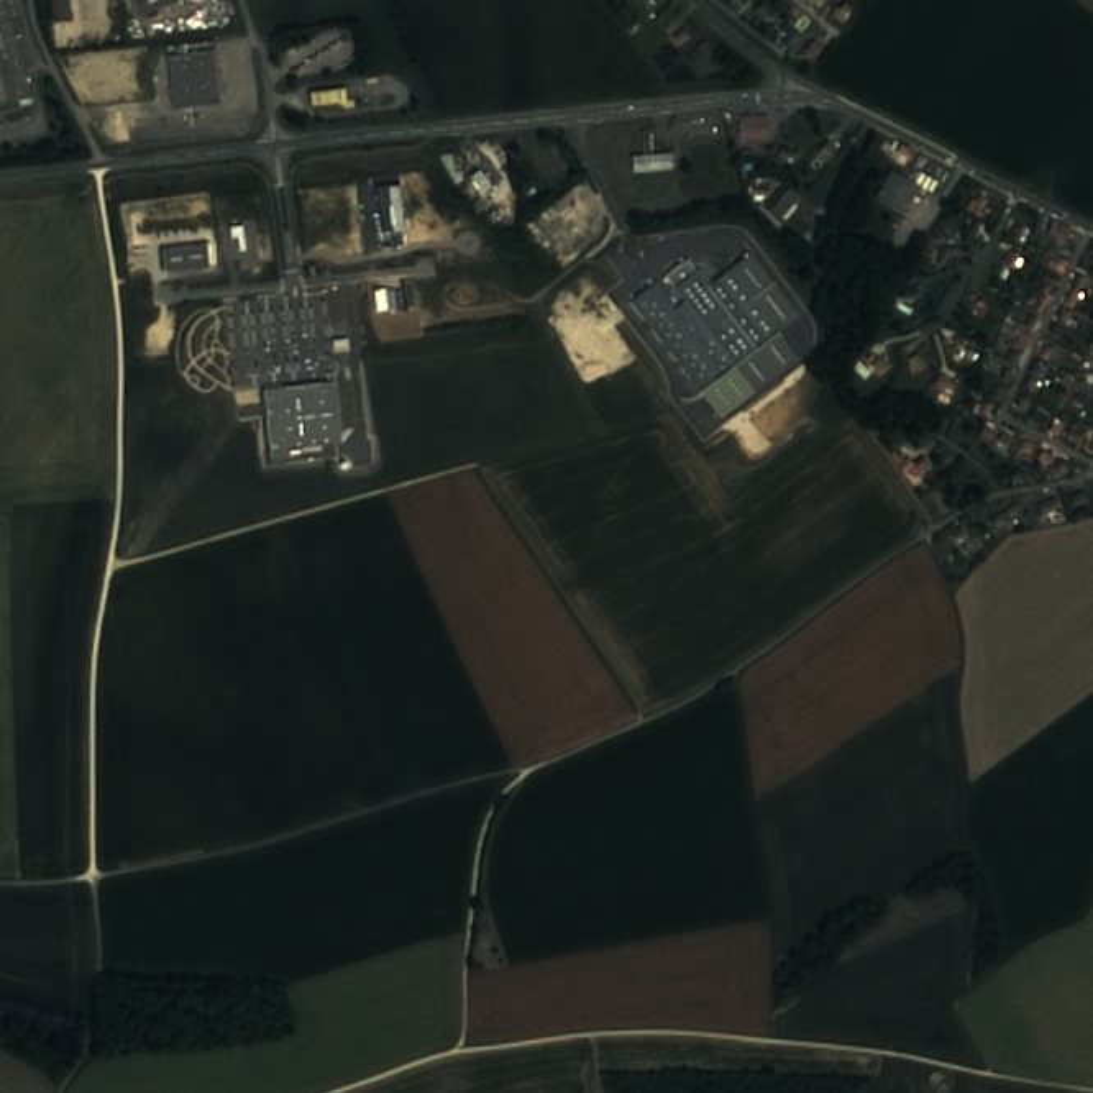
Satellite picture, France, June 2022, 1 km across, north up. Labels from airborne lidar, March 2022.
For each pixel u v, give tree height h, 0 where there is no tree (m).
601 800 0
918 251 12
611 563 0
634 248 0
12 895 0
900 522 0
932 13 0
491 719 0
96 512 0
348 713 0
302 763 0
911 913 0
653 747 0
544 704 0
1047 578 0
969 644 0
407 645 0
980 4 0
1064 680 0
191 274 0
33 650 0
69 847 0
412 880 0
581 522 0
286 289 0
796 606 0
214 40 0
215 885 0
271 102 0
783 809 0
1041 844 0
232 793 0
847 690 0
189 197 0
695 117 0
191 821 0
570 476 0
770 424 0
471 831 0
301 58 0
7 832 0
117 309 0
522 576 0
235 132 0
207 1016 24
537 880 0
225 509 0
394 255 0
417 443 0
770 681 0
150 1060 0
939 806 0
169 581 0
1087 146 0
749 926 0
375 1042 0
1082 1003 0
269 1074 0
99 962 0
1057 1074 0
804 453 0
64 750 0
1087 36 0
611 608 0
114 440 0
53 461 0
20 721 0
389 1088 0
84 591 0
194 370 0
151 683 0
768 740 0
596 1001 0
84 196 0
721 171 0
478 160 0
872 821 0
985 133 0
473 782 0
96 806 0
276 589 0
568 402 0
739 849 0
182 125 0
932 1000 0
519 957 0
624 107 0
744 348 0
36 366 0
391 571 0
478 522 0
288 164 0
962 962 0
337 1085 0
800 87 0
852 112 0
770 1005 0
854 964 0
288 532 0
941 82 0
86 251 0
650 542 0
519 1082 0
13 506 0
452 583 0
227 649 0
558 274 0
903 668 0
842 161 0
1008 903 0
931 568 0
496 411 0
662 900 0
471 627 0
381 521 0
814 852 0
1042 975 0
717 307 0
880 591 0
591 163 0
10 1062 0
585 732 0
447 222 0
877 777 0
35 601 0
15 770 0
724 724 0
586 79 0
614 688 0
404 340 0
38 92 0
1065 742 0
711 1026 0
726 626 0
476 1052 0
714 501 0
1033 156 0
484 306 0
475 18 0
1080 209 0
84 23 0
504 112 0
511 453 0
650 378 0
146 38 0
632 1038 0
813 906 0
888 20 0
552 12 0
